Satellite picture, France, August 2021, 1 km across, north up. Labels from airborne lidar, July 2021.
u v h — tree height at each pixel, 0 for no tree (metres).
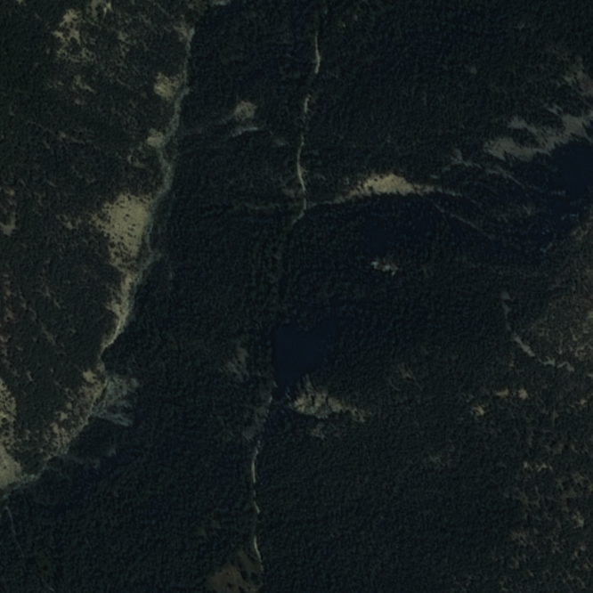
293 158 11
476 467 17
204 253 16
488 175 7
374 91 16
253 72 6
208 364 9
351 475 10
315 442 12
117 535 9
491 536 13
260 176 8
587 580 14
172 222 6
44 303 11
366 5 7
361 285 12
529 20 13
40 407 13
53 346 17
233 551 13
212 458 15
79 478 11
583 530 14
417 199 11
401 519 13
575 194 9
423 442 12
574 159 8
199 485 15
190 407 10
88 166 11
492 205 6
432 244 15
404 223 11
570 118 0
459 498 15
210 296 16
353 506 11
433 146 9
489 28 6
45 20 11
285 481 12
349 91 10
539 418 10
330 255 8
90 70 8
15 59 11
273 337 10
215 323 16
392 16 17
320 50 9
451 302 16
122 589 16
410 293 17
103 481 18
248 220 10
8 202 21
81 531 19
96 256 13
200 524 19
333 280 9
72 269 16
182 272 9
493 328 11
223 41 14
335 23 12
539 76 14
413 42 16
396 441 12
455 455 15
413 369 14
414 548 14
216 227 15
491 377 11
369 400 13
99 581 19
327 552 8
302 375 16
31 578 20
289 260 13
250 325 8
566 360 8
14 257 21
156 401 11
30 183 20
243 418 8
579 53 10
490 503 16
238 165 6
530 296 9
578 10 18
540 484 15
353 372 16
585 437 13
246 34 14
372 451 13
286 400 14
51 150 10
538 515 16
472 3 10
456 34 11
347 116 9
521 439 12
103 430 6
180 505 15
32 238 16
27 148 12
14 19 14
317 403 0
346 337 12
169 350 18
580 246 8
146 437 12
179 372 11
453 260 11
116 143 11
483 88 10
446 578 13
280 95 15
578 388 9
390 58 14
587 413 16
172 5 18
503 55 12
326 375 12
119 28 7
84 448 7
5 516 11
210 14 10
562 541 14
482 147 6
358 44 13
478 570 14
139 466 11
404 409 11
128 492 14
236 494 14
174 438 13
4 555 15
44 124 21
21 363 14
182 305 14
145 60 11
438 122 11
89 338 15
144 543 21
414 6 11
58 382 21
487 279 7
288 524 11
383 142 7
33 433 11
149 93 11
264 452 7
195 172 7
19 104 15
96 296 10
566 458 11
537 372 11
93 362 12
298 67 8
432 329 14
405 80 8
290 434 17
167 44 12
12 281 12
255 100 8
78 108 6
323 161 8
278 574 8
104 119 14
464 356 12
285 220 11
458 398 13
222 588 0
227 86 11
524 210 6
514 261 8
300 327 13
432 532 12
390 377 12
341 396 10
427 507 14
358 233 14
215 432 11
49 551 18
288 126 11
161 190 0
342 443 12
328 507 7
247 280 15
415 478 11
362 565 10
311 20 17
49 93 8
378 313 15
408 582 12
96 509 17
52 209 14
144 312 12
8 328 17
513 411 10
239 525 18
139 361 13
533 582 17
